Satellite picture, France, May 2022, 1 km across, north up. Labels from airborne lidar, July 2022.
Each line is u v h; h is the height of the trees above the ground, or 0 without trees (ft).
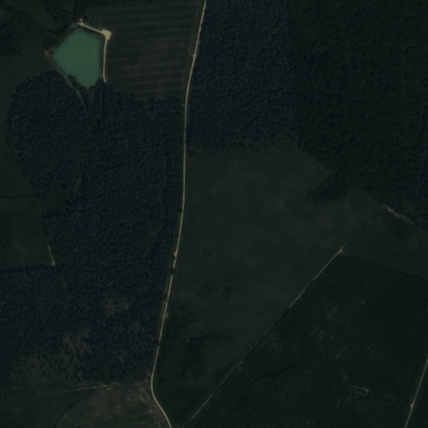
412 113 89
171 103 77
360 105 110
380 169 96
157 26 0
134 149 93
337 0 101
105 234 106
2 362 108
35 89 85
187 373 65
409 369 26
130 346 106
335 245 0
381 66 91
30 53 0
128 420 0
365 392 36
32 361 0
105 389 0
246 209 0
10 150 62
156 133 95
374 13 104
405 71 99
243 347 0
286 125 109
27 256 0
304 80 113
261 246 0
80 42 0
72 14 58
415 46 91
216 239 0
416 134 98
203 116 89
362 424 39
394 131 89
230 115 107
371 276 26
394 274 26
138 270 94
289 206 0
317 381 24
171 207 94
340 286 24
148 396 0
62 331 108
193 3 0
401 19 91
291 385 28
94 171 118
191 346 50
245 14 89
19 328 106
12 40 90
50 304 81
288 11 100
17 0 0
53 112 81
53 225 85
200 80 58
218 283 0
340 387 37
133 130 103
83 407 0
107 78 0
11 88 0
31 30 66
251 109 107
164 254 105
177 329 31
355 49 96
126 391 0
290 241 0
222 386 25
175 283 0
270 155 0
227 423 26
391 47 81
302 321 24
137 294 90
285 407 23
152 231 96
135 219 112
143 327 70
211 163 0
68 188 93
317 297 24
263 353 23
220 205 0
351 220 0
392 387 29
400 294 29
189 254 0
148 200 101
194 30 0
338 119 100
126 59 0
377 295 25
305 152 94
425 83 80
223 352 0
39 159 100
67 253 94
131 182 90
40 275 96
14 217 20
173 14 0
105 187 100
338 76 111
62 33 58
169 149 102
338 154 105
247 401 23
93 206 96
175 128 59
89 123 67
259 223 0
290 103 105
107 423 0
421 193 93
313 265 0
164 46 0
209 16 65
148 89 0
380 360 33
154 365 0
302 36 96
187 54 0
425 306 37
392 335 31
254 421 26
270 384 26
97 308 93
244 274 0
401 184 91
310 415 26
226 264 0
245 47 51
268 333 34
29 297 98
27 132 103
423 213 51
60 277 94
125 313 61
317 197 61
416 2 90
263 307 0
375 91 95
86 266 103
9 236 20
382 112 101
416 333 31
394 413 39
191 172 0
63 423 0
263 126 107
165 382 26
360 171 81
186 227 0
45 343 106
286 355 23
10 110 0
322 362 48
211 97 69
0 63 0
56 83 107
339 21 87
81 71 0
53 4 39
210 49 52
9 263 0
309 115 109
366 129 101
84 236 93
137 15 0
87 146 88
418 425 22
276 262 0
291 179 0
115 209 102
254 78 98
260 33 96
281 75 99
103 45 0
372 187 61
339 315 23
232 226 0
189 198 0
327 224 0
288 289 0
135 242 103
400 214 70
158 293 88
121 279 118
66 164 99
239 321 0
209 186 0
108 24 0
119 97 85
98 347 92
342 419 25
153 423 0
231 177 0
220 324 0
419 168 83
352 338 21
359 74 96
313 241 0
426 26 94
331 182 57
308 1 82
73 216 73
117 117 104
